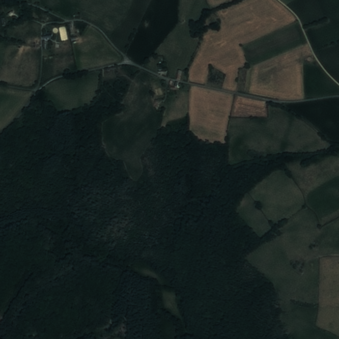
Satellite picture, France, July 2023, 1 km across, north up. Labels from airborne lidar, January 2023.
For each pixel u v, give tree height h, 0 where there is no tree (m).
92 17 0
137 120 0
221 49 0
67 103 0
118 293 22
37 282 25
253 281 9
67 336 24
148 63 13
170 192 23
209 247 24
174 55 0
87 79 0
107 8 0
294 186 0
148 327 27
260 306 12
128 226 14
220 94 0
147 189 14
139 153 0
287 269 0
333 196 0
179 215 10
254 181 15
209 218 21
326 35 0
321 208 0
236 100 0
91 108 17
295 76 0
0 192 22
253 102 0
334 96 0
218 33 0
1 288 25
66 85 0
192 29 14
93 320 25
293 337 7
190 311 20
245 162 12
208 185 10
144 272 0
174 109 0
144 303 21
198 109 0
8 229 22
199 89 0
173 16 0
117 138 0
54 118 24
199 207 20
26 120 11
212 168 13
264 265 0
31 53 0
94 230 24
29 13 19
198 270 26
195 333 17
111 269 24
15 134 19
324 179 0
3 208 6
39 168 25
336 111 0
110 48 0
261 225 0
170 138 19
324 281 0
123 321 15
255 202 8
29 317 22
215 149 12
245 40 0
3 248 21
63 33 0
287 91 0
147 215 15
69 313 21
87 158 15
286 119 0
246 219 0
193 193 22
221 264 20
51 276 25
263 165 12
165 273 23
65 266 28
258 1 0
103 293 23
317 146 0
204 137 0
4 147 22
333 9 0
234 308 21
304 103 0
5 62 0
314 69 0
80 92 0
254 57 0
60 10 0
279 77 0
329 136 0
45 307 20
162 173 17
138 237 11
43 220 16
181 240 21
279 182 0
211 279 23
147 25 0
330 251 0
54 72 0
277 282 0
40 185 21
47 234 31
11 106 0
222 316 10
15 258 22
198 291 26
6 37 8
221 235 15
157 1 0
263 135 0
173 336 0
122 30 0
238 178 16
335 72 0
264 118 0
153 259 9
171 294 0
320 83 0
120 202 11
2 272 27
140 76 0
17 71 0
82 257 28
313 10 0
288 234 0
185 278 21
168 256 14
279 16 0
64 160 22
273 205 0
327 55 0
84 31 0
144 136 0
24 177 20
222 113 0
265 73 0
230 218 15
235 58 0
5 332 33
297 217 0
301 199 0
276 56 0
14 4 18
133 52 0
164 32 0
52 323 20
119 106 14
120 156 0
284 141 0
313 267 0
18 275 23
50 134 36
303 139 0
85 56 0
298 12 0
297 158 9
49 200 27
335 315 0
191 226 25
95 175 15
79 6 0
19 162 21
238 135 0
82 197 14
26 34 0
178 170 24
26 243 26
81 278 22
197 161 16
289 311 0
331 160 0
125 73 0
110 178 22
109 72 0
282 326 10
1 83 12
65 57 0
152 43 0
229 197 17
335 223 0
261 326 14
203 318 22
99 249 9
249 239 18
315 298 0
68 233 13
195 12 0
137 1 0
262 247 0
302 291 0
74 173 19
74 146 29
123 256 26
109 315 23
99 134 19
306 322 0
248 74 0
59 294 23
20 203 27
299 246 0
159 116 0
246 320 22
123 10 0
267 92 0
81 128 6
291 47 0
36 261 24
